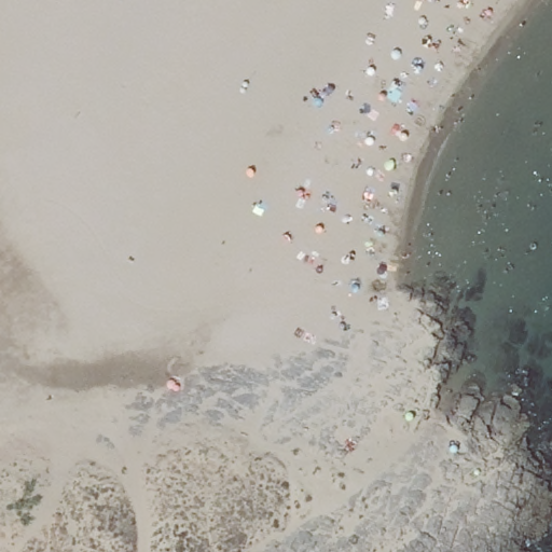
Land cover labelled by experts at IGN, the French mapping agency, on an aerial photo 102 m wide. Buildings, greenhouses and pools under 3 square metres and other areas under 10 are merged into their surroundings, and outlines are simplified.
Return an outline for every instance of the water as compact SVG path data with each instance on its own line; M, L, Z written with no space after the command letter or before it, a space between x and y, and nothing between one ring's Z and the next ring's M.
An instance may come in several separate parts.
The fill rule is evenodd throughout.
M477 319L474 345L470 347L470 351L477 358L466 362L472 373L470 380L466 380L466 384L479 384L483 395L507 395L518 386L520 412L524 412L528 418L526 442L539 444L552 440L552 0L546 0L522 19L522 30L513 39L511 52L485 78L483 88L479 93L472 93L470 110L461 119L457 132L451 136L449 147L442 153L438 168L431 177L425 209L416 231L416 252L399 267L408 276L416 276L420 282L431 282L451 289L453 295L466 291L466 298L470 300L466 308L470 308Z

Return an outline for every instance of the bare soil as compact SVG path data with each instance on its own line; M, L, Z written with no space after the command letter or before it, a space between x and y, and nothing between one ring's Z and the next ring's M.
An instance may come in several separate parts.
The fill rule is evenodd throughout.
M470 351L470 347L474 345L477 319L470 308L466 308L470 300L466 298L466 291L453 295L451 289L431 282L420 282L416 276L408 276L399 267L416 252L416 231L425 209L431 177L438 168L442 153L449 147L451 136L457 132L461 119L470 110L472 93L479 93L483 88L485 78L511 52L513 39L522 30L522 19L546 0L0 0L0 552L552 552L552 440L539 444L526 442L528 418L524 412L520 412L518 386L507 395L483 395L479 384L466 384L466 380L470 380L472 373L466 362L477 358Z

